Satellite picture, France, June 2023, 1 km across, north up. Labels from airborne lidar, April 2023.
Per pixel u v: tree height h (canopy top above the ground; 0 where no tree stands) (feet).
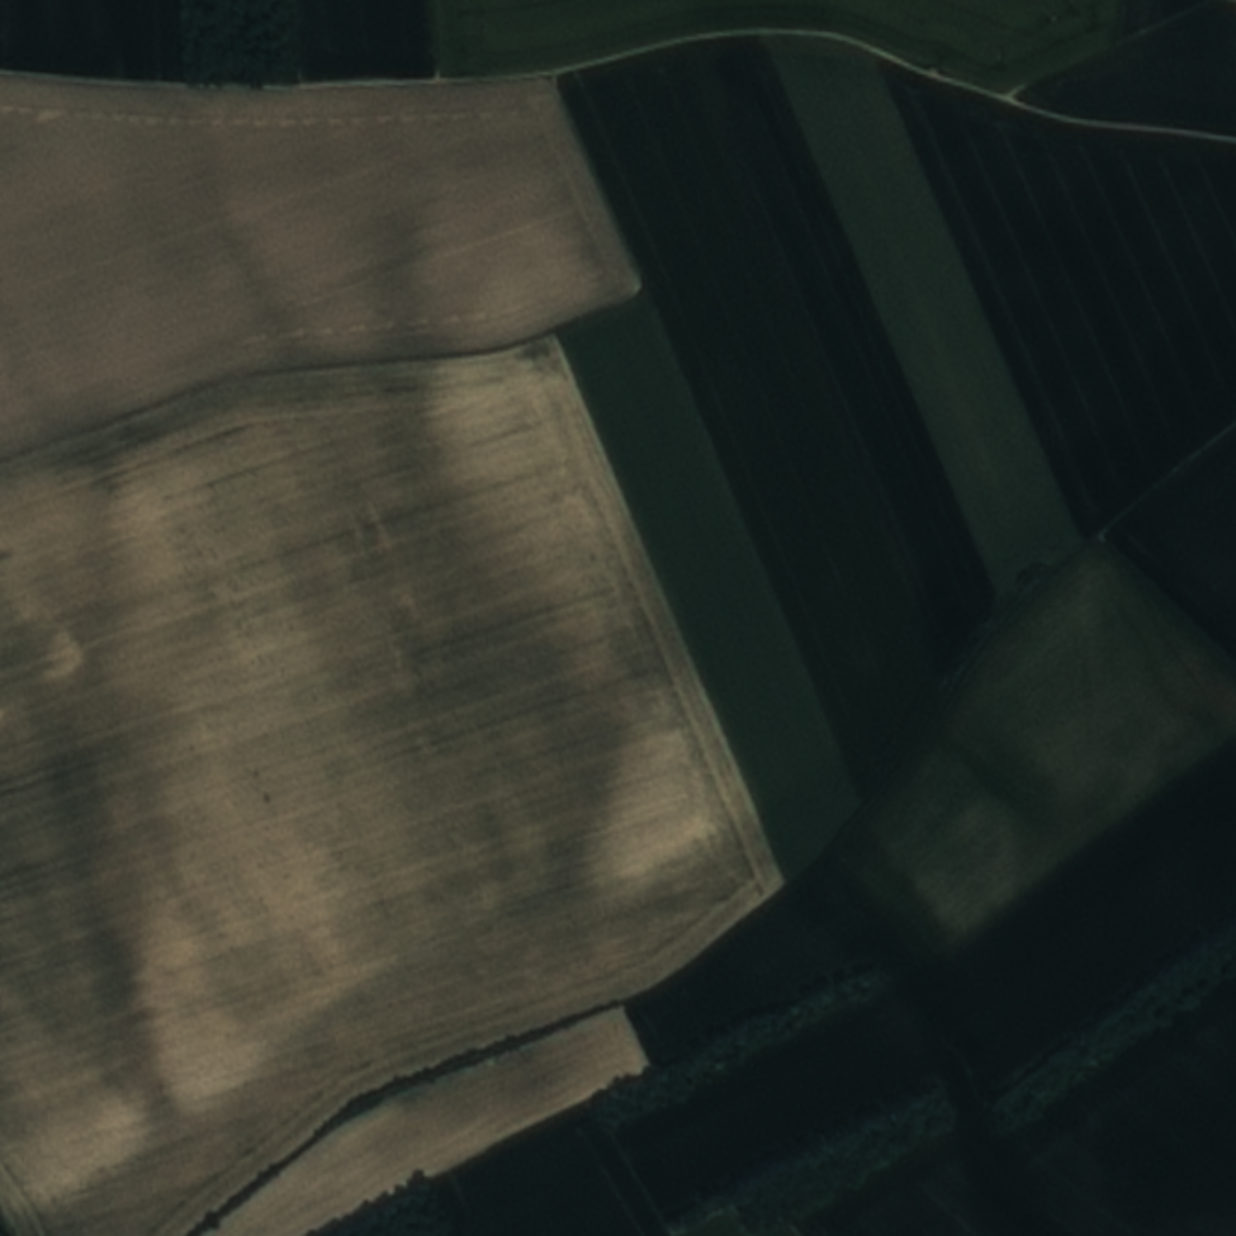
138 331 0
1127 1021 51
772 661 0
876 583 0
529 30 0
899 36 0
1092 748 0
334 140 0
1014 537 0
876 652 0
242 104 0
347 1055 0
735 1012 0
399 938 0
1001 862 0
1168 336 0
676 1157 0
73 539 0
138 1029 0
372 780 0
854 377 0
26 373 0
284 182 0
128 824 0
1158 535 0
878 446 0
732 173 0
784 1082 0
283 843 0
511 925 0
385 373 0
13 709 0
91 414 0
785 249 0
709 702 0
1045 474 0
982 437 0
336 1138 0
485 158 0
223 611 0
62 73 0
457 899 0
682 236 0
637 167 0
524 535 0
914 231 0
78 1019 0
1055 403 0
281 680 0
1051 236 0
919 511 0
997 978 0
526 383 0
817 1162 52
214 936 0
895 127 0
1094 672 0
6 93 0
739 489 0
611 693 0
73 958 0
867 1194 0
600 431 0
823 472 0
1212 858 0
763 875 0
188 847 0
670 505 0
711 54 0
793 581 0
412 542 0
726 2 0
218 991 0
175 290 0
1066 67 0
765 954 0
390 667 0
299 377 0
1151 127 0
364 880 0
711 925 0
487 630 0
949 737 0
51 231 0
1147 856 0
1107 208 0
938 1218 0
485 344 0
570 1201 0
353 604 0
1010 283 0
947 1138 0
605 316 0
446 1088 0
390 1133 0
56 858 0
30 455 0
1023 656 0
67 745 0
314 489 0
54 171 0
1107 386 0
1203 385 0
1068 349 0
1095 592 0
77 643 0
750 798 0
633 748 0
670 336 0
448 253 0
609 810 0
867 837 0
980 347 0
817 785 0
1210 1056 0
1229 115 0
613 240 0
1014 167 0
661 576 0
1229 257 0
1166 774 0
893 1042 0
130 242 0
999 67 0
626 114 0
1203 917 0
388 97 0
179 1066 0
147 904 0
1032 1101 54
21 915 0
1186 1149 0
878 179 0
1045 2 0
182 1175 0
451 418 0
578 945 0
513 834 0
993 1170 0
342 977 0
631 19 0
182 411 0
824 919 0
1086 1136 0
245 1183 0
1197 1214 0
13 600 0
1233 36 0
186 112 0
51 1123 0
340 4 0
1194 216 0
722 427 0
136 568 0
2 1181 0
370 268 0
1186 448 0
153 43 0
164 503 0
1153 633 0
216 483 0
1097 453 0
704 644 0
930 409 0
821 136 0
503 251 0
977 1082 0
